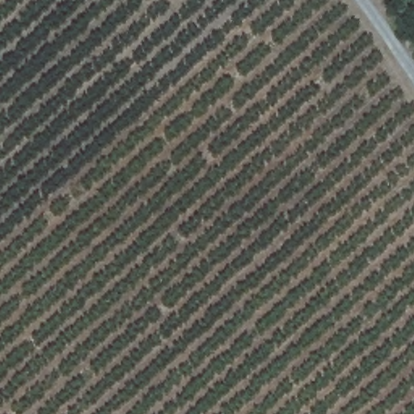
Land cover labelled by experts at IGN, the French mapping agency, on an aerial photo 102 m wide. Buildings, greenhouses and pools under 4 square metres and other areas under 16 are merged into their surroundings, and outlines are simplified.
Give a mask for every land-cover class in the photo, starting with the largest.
<instances>
[{"label":"deciduous trees","instance_id":"1","mask_svg":"<svg viewBox=\"0 0 414 414\"><path fill-rule=\"evenodd\" d=\"M348 6L336 0H0V414H414V103L406 100L403 89L390 81V76L378 63L382 61V53L375 47L372 32H365L359 26V19L354 16L349 18L346 13ZM383 5L387 8L385 18L390 24L391 31L399 42H411L409 52L414 58V0H383Z\"/></svg>","mask_w":414,"mask_h":414},{"label":"pervious surface","instance_id":"2","mask_svg":"<svg viewBox=\"0 0 414 414\"><path fill-rule=\"evenodd\" d=\"M348 6L346 13L349 18L354 16L359 19V26L365 32H372L375 47L382 53V61L378 63L390 76V81L403 89L406 100L414 103V58L409 52L411 42H399L391 31L390 24L385 18L387 8L383 5V0H336Z\"/></svg>","mask_w":414,"mask_h":414}]
</instances>
